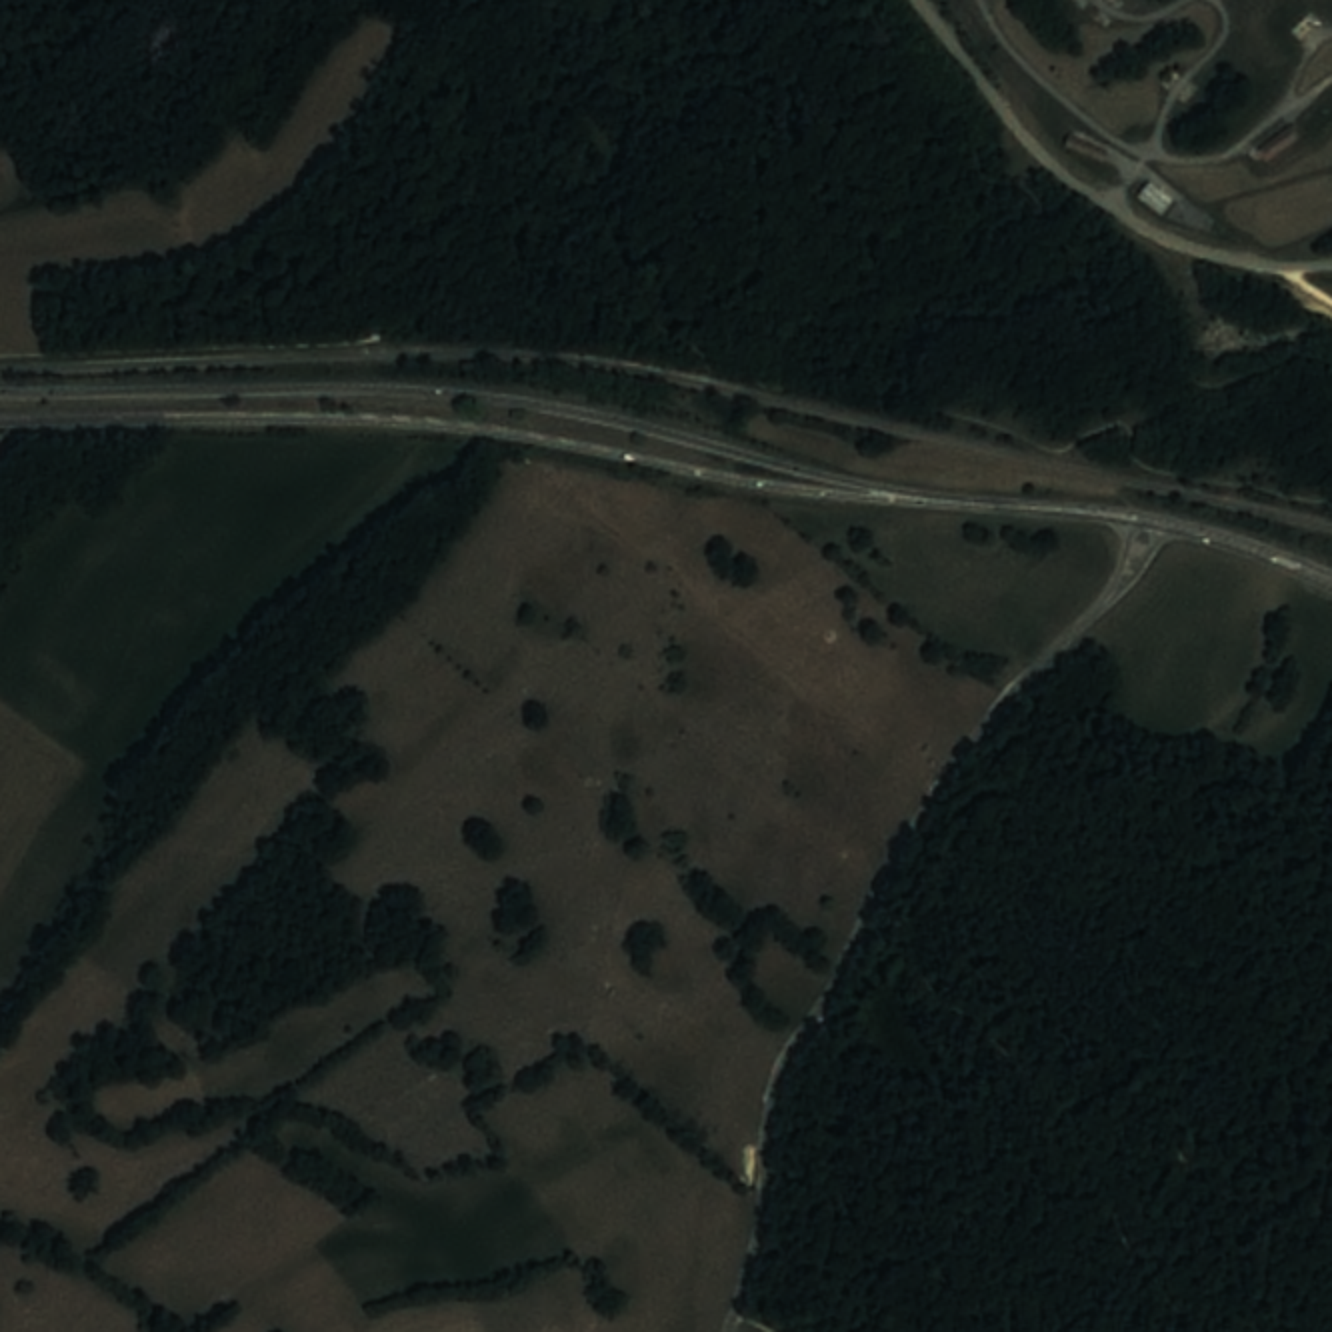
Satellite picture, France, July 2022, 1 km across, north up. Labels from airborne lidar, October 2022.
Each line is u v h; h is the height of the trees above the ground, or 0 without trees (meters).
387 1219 0
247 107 7
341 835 23
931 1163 13
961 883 18
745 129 27
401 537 23
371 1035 8
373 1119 0
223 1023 19
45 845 0
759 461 0
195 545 0
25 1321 0
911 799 0
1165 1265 20
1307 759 22
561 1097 0
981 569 0
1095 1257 21
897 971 22
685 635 0
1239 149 0
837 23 22
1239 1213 20
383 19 6
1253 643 0
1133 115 0
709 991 0
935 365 27
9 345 0
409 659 0
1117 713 9
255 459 0
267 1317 0
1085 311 10
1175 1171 22
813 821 0
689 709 0
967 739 0
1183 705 0
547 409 0
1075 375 20
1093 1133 19
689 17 19
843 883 0
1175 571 0
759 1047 0
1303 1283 16
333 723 23
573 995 0
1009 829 16
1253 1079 18
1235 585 0
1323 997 21
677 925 0
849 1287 18
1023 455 0
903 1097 20
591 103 22
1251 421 11
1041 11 14
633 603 0
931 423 18
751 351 16
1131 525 0
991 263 21
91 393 0
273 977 20
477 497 17
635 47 7
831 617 0
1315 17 0
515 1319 0
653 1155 0
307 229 19
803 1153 17
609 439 0
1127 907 18
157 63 21
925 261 25
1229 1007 22
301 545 0
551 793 0
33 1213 0
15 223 0
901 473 0
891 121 16
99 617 0
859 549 9
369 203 14
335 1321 0
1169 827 21
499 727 0
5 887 0
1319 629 0
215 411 0
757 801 0
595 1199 0
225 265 22
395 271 22
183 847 0
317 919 22
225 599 0
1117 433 8
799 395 7
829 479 0
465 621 0
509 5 27
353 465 0
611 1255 0
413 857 0
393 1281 0
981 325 22
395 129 11
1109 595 0
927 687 0
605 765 0
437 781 0
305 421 0
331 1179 21
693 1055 0
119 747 0
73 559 0
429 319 19
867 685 0
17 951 0
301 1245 0
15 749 0
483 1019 0
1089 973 19
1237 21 0
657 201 25
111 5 24
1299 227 0
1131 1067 15
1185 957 16
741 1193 11
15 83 27
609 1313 13
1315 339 13
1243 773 22
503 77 27
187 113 22
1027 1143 20
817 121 23
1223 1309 15
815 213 22
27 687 0
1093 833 18
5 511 20
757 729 0
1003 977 16
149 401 0
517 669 0
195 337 21
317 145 0
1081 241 20
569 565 0
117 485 22
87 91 25
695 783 0
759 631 0
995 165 15
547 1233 0
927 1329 20
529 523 0
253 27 26
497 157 20
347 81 0
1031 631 0
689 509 0
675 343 13
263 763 0
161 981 13
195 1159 0
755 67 25
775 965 0
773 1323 24
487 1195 0
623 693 0
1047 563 0
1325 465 15
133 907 0
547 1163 0
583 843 0
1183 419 14
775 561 0
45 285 20
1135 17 0
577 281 23
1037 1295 23
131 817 21
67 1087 7
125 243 0
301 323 26
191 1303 0
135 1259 0
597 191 11
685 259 26
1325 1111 23
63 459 21
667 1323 0
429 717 0
